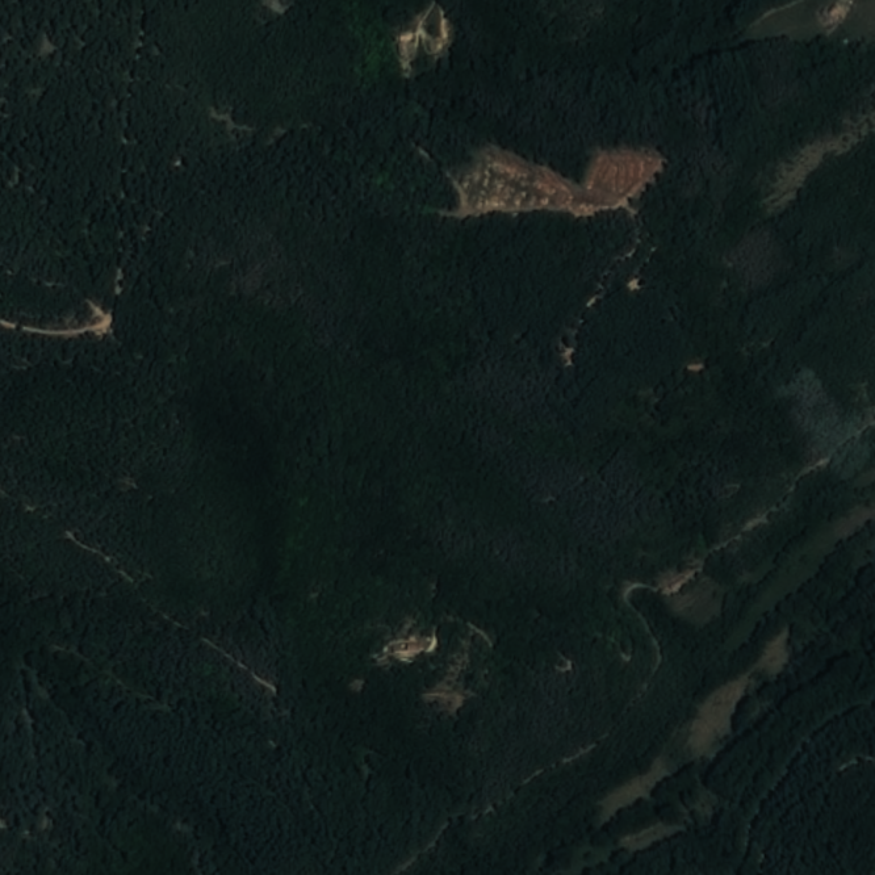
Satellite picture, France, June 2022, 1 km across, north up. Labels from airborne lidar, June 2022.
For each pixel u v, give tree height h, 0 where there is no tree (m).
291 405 17
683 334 26
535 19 13
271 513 13
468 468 26
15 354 17
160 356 25
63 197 27
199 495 12
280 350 17
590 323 35
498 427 16
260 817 35
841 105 10
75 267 15
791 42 19
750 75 26
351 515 22
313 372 15
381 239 18
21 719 27
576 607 21
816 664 13
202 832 28
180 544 9
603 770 24
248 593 14
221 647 15
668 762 0
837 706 17
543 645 14
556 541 18
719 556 13
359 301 22
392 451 14
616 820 16
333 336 20
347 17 18
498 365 20
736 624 17
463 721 12
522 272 32
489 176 0
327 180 24
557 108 24
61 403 15
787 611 25
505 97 27
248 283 15
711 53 10
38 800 35
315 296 18
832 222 21
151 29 25
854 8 0
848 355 15
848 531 0
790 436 14
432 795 24
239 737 23
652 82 23
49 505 17
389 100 30
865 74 12
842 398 12
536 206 0
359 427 10
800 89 22
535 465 20
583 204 0
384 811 29
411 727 16
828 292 23
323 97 20
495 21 14
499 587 24
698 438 6
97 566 19
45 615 17
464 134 27
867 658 7
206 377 18
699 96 34
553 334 34
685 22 29
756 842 15
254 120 21
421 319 19
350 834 23
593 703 17
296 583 16
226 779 33
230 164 27
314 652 15
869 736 16
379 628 7
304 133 17
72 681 17
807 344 25
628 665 11
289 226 11
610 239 16
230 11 21
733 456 13
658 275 17
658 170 0
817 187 12
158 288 21
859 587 15
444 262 16
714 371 20
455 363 13
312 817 21
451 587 23
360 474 21
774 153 10
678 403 10
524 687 13
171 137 23
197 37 17
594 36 13
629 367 38
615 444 14
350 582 14
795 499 16
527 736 20
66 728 40
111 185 26
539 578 15
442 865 17
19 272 14
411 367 19
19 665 30
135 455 14
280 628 33
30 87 21
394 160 19
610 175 0
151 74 22
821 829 22
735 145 36
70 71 25
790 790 26
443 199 16
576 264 17
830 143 0
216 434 19
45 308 12
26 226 20
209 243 17
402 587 21
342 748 23
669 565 8
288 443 25
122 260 23
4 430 17
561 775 10
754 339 15
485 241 33
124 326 17
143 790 35
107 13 22
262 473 21
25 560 16
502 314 30
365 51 16
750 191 15
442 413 20
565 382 30
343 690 20
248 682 16
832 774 19
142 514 17
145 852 23
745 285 11
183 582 9
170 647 18
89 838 24
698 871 23
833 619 16
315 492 14
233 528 14
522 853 31
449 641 6
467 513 20
